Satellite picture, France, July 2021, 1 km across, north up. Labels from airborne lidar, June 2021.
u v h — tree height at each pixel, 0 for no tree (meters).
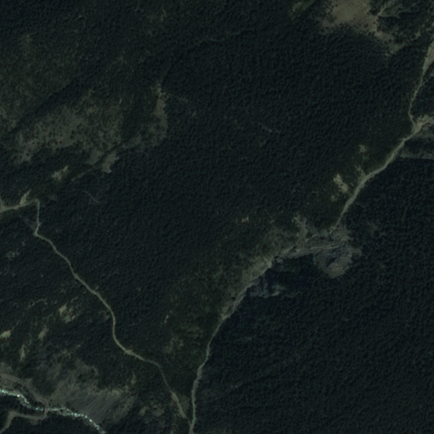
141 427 8
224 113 13
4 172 8
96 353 6
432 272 10
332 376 17
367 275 17
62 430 10
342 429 10
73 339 5
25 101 6
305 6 0
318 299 16
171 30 12
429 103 6
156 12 7
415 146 6
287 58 9
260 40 14
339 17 0
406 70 9
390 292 18
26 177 6
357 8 0
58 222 7
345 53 16
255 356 14
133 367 8
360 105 13
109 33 11
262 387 8
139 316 9
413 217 14
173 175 10
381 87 18
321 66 15
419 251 9
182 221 11
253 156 14
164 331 6
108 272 8
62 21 10
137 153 7
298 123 10
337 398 8
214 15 8
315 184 13
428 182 9
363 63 13
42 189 8
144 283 7
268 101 14
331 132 17
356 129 13
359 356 10
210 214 14
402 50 6
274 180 11
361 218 8
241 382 9
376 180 7
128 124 7
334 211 7
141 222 10
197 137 10
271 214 5
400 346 17
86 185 6
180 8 15
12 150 6
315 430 13
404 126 9
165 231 9
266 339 15
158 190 13
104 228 6
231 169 11
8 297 7
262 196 11
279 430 10
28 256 9
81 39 8
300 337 10
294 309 13
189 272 8
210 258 9
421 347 12
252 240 9
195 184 11
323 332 14
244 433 6
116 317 8
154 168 12
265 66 18
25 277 7
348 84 14
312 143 9
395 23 11
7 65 8
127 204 8
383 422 11
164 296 9
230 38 9
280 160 11
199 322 8
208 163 9
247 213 6
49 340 5
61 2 13
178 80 15
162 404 6
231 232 11
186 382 7
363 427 12
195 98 10
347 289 8
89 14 10
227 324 7
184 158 10
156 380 7
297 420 12
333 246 8
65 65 6
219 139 9
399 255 12
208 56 13
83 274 7
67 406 8
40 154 9
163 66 15
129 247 7
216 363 6
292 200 8
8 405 10
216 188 8
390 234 17
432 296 8
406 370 17
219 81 14
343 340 13
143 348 7
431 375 20
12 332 6
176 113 9
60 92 7
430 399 18
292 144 13
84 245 8
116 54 8
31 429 7
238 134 12
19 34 7
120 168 9
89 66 7
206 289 8
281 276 8
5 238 6
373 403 12
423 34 6
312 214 7
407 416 19
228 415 8
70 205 10
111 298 8
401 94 13
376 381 18
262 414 11
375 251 19
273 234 7
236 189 10
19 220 8
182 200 14
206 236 11
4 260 7
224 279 11
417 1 13
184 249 13
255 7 12
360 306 17
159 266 10
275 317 8
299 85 16
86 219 7
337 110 9
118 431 9
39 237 7
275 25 15
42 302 6
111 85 12
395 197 11
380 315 12
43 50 6
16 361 8
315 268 7
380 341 15
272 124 8
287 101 12
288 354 10
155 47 15
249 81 10
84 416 0
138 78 8
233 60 13
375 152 6
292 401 14
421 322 15
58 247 8
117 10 8
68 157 7
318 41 14
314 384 14
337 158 9
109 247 9
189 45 13
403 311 13
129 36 10
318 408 15
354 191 0
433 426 15
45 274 7
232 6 11
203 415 7
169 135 11
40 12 14
